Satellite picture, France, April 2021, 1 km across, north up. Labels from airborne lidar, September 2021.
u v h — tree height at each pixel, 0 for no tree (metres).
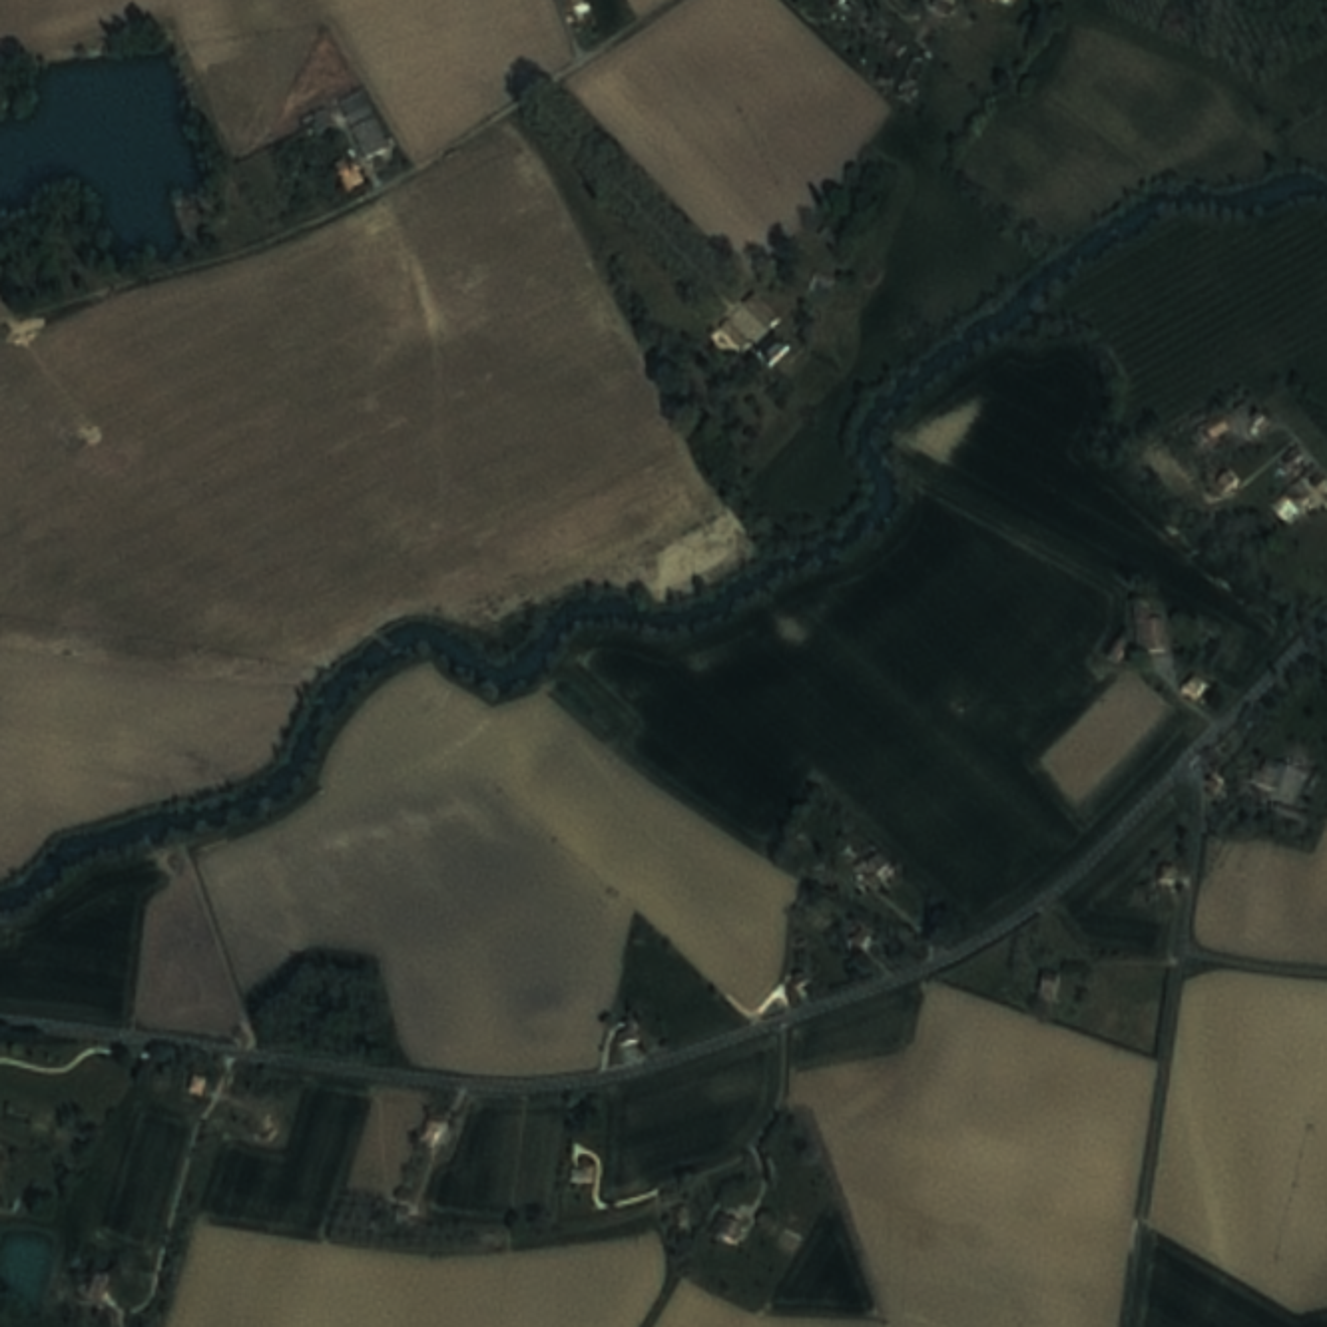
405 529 0
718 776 0
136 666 0
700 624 10
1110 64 0
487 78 0
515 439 0
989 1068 0
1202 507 0
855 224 15
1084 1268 0
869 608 0
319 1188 0
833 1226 0
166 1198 0
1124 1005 0
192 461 0
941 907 9
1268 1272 0
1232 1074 0
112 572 0
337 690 0
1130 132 0
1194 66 0
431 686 0
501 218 0
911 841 0
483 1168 0
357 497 0
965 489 0
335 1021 21
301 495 0
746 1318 0
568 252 0
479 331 0
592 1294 0
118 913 0
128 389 0
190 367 0
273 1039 25
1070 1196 0
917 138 0
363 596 0
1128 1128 0
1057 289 16
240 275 0
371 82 0
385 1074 0
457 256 0
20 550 0
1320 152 0
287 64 0
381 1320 0
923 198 0
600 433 0
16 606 0
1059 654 0
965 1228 0
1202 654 12
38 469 0
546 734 0
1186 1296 0
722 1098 0
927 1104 0
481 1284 0
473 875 0
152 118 0
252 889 0
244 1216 0
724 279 38
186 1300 0
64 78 0
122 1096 0
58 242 31
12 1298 19
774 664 0
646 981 0
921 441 0
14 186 0
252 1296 0
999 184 0
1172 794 0
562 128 40
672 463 0
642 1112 0
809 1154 19
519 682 8
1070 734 0
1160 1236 0
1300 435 0
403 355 0
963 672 0
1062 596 0
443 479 0
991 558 0
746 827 0
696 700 0
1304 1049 0
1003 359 0
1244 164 0
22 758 0
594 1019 0
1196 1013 0
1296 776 0
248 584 0
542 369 0
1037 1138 0
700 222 0
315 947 0
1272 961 0
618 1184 0
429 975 0
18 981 0
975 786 0
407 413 0
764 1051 0
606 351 0
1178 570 0
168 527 0
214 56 0
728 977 0
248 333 0
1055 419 0
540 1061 0
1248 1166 0
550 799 0
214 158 19
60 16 0
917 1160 0
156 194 0
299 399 0
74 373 0
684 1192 13
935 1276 0
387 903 0
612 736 0
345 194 7
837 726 0
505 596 0
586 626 6
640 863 0
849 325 0
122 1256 10
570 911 0
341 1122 0
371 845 0
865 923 11
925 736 0
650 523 0
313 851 0
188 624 0
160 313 0
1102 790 0
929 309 0
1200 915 0
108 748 0
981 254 0
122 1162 0
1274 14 35
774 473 0
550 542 0
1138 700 0
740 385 8
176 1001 0
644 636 19
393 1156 0
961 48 0
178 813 8
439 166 0
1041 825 0
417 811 0
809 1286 0
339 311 0
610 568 0
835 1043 0
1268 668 0
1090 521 0
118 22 0
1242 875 0
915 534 0
